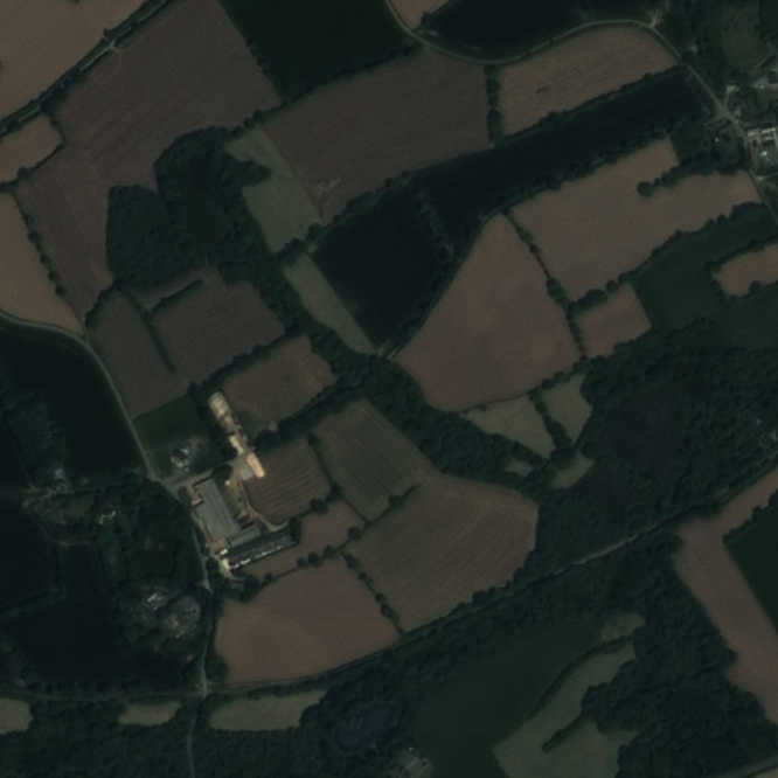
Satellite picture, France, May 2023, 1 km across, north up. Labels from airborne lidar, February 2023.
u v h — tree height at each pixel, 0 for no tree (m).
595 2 0
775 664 0
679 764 14
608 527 6
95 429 0
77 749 8
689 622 10
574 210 0
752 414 0
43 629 0
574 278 0
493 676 0
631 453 0
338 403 22
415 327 12
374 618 0
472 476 13
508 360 0
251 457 0
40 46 0
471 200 0
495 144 13
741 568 0
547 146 0
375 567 0
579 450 11
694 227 0
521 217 0
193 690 0
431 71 0
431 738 0
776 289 6
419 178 0
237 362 14
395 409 15
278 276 15
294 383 0
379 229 0
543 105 0
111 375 0
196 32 0
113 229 11
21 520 0
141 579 8
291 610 0
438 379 0
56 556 8
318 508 15
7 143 0
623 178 0
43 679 0
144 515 11
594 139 0
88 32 0
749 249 8
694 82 0
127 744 5
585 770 0
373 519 0
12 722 0
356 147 0
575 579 10
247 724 0
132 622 11
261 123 16
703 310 0
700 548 0
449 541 0
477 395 0
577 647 0
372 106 0
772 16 0
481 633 7
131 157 0
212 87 0
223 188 11
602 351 0
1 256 0
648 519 10
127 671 0
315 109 0
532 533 0
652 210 0
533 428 0
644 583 0
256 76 0
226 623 0
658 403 0
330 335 6
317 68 0
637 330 0
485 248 0
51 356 0
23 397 0
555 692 8
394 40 0
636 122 0
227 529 0
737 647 0
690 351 10
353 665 6
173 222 20
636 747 7
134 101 0
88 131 0
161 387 0
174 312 0
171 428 0
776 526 0
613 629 0
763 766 0
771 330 0
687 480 10
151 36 0
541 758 0
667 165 0
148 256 7
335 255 0
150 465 0
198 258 7
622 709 20
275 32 0
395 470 0
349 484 0
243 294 0
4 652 14
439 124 0
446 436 9
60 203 0
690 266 0
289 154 0
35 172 7
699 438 12
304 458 0
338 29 0
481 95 0
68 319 0
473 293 0
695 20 12
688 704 14
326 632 0
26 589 0
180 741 9
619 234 0
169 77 0
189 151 20
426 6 0
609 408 11
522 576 17
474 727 0
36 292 0
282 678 0
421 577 0
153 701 9
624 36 0
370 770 0
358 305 0
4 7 0
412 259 0
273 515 0
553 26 0
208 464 0
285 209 0
